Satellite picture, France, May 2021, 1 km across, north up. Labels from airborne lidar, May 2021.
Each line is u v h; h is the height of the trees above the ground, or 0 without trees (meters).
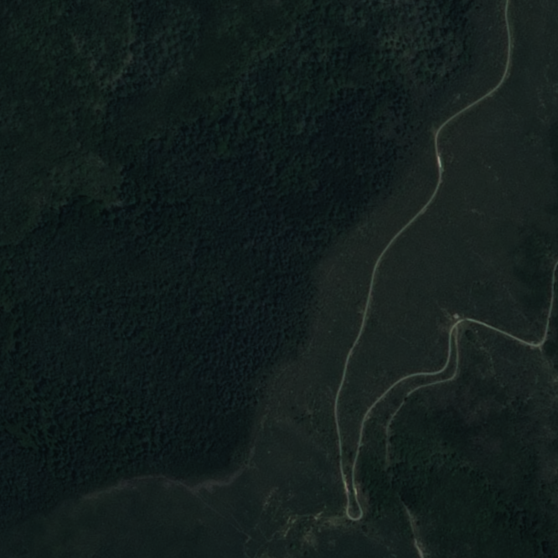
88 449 19
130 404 16
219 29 15
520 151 0
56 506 7
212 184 9
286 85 18
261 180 16
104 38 7
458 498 8
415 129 8
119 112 12
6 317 21
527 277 6
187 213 15
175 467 7
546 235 5
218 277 9
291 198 16
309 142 11
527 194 0
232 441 10
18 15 12
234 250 10
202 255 14
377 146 11
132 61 13
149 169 18
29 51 17
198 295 14
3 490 14
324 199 14
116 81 13
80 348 10
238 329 13
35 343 12
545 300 6
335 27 7
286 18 7
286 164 18
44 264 14
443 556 7
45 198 6
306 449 0
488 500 8
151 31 12
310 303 6
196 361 19
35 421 17
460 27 8
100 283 13
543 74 0
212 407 17
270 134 17
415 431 7
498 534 7
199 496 0
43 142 6
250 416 6
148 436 25
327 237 14
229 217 9
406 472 20
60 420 18
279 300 21
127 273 15
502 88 0
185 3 8
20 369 24
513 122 0
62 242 11
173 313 10
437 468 18
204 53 6
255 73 7
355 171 16
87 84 18
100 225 14
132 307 18
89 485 8
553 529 8
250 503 0
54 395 21
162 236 10
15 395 19
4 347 24
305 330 6
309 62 11
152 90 8
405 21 7
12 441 18
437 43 13
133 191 18
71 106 8
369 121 12
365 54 12
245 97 18
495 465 6
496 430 6
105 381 12
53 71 17
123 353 9
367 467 9
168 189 13
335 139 17
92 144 17
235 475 0
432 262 0
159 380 12
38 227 6
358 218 7
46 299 14
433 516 8
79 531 0
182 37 12
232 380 11
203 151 16
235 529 0
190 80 10
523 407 6
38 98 16
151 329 13
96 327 11
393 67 7
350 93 11
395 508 7
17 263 12
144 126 9
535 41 0
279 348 19
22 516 7
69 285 9
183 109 6
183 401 14
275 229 18
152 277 7
